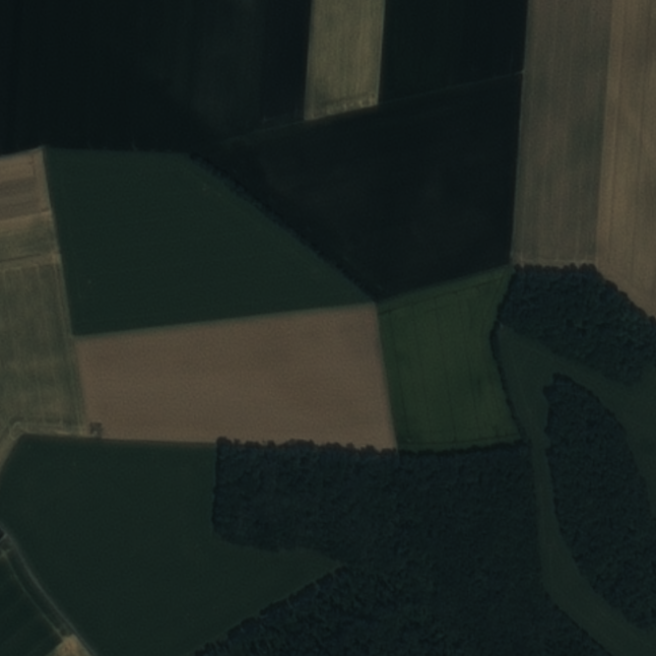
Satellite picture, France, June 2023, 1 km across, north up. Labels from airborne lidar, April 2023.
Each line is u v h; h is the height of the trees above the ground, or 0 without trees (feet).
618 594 57
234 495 76
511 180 0
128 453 0
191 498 0
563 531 57
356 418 0
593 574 55
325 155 0
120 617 0
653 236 0
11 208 0
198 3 0
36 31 0
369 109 0
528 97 0
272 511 79
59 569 0
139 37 0
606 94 0
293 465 52
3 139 0
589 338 74
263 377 0
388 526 78
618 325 75
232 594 0
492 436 0
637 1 0
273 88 0
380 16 0
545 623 62
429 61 0
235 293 0
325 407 0
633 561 41
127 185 0
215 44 0
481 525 66
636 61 0
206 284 0
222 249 0
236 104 0
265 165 0
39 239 0
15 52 0
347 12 0
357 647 77
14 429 0
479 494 56
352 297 0
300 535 66
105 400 0
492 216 0
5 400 0
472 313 0
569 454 66
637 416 0
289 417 0
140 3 0
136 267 0
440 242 0
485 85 0
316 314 0
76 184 0
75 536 0
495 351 44
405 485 60
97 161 0
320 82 0
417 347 0
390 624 79
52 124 0
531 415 0
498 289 0
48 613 0
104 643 0
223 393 0
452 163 0
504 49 0
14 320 0
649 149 0
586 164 0
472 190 0
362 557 78
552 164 0
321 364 0
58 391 0
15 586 0
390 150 0
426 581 49
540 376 0
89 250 0
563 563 0
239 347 0
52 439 0
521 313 67
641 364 65
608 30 0
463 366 0
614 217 0
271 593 0
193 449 0
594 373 0
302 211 0
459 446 0
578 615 0
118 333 0
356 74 0
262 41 0
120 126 0
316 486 76
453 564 64
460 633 49
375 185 0
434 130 0
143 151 0
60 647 0
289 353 0
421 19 0
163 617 0
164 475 0
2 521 0
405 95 0
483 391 0
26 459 0
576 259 0
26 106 0
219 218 0
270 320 0
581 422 72
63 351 0
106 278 0
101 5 0
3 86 0
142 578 0
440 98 0
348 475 83
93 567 0
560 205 0
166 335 0
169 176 0
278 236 0
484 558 54
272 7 0
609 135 0
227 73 0
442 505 56
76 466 0
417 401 0
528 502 59
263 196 0
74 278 0
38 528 0
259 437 0
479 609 66
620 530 66
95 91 0
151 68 0
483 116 0
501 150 0
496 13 0
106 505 0
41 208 0
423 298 0
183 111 0
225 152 0
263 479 78
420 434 0
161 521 0
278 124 0
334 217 0
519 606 65
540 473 0
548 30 0
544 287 68
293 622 91
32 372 0
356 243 0
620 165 0
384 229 0
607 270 0
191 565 0
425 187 0
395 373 0
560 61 0
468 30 0
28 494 0
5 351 0
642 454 0
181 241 0
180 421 0
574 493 69
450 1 0
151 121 0
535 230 0
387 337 0
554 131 0
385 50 0
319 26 0
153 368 0
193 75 0
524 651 52
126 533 0
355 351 0
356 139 0
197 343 0
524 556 73
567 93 0
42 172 0
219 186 0
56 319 0
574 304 75
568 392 65
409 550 54
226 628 0
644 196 0
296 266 0
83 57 0
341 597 75
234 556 0
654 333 53
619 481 63
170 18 0
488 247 0
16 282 0
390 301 0
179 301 0
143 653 0
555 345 67
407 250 0
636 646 0
